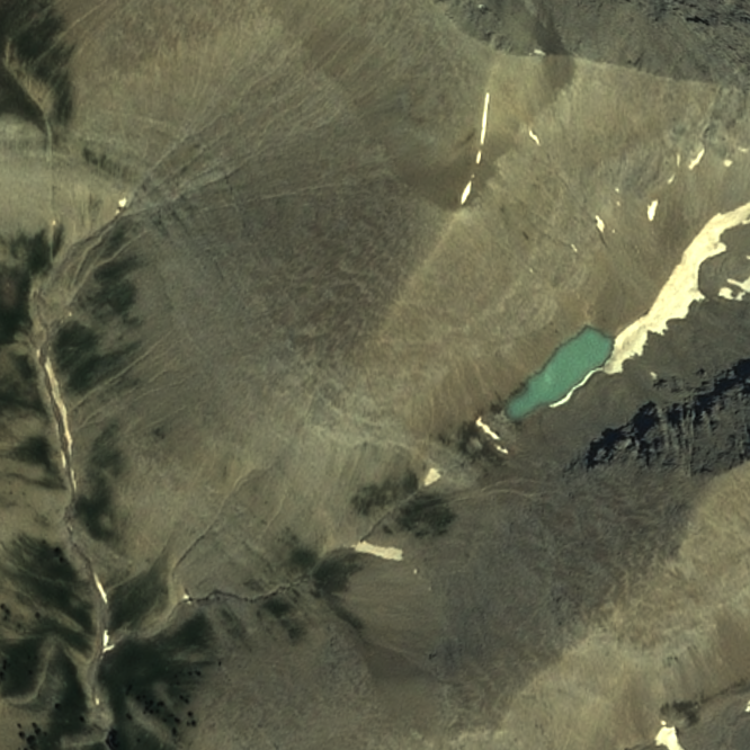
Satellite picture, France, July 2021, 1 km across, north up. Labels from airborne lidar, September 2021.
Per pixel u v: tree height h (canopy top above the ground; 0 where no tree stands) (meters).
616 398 0
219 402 0
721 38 0
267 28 0
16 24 0
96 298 0
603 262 0
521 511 0
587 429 0
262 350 0
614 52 0
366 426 0
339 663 0
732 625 0
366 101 0
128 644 0
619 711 0
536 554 0
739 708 0
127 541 0
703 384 0
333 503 0
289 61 0
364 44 0
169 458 0
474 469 0
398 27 0
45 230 0
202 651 0
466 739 0
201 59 0
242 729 0
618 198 0
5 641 0
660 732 0
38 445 0
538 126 0
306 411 0
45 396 0
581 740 0
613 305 0
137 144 0
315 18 0
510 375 0
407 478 0
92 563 0
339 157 0
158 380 0
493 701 0
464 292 0
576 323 0
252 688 0
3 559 0
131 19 0
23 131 0
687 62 0
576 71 0
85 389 0
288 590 0
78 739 0
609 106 0
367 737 0
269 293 0
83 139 0
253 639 0
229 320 0
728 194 0
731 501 0
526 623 0
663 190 0
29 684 0
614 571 0
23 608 0
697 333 0
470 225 0
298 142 0
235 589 0
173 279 0
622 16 0
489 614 0
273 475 0
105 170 0
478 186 0
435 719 0
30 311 0
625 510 0
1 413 0
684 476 0
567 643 0
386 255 0
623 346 0
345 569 0
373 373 0
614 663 0
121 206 0
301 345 0
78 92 0
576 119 0
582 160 0
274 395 0
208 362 0
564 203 0
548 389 0
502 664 0
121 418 0
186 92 0
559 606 0
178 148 0
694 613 0
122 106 0
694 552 0
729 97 0
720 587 0
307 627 0
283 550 0
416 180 0
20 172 0
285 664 0
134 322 0
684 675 0
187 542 0
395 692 0
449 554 0
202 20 0
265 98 0
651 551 0
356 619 0
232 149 0
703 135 0
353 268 0
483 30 0
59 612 0
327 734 0
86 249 0
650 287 0
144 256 0
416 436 0
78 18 0
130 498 0
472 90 0
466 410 0
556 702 0
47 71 0
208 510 0
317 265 0
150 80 0
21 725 7
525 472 0
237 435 0
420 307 0
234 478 0
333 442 0
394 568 0
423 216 0
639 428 0
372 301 0
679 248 0
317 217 0
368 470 0
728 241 0
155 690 0
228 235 0
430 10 0
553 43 0
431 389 0
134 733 0
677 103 0
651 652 0
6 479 0
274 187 0
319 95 0
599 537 0
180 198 0
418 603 0
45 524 0
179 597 0
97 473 0
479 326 0
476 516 0
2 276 0
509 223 0
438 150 0
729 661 0
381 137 0
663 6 0
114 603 0
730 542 0
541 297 0
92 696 0
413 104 0
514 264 0
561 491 0
